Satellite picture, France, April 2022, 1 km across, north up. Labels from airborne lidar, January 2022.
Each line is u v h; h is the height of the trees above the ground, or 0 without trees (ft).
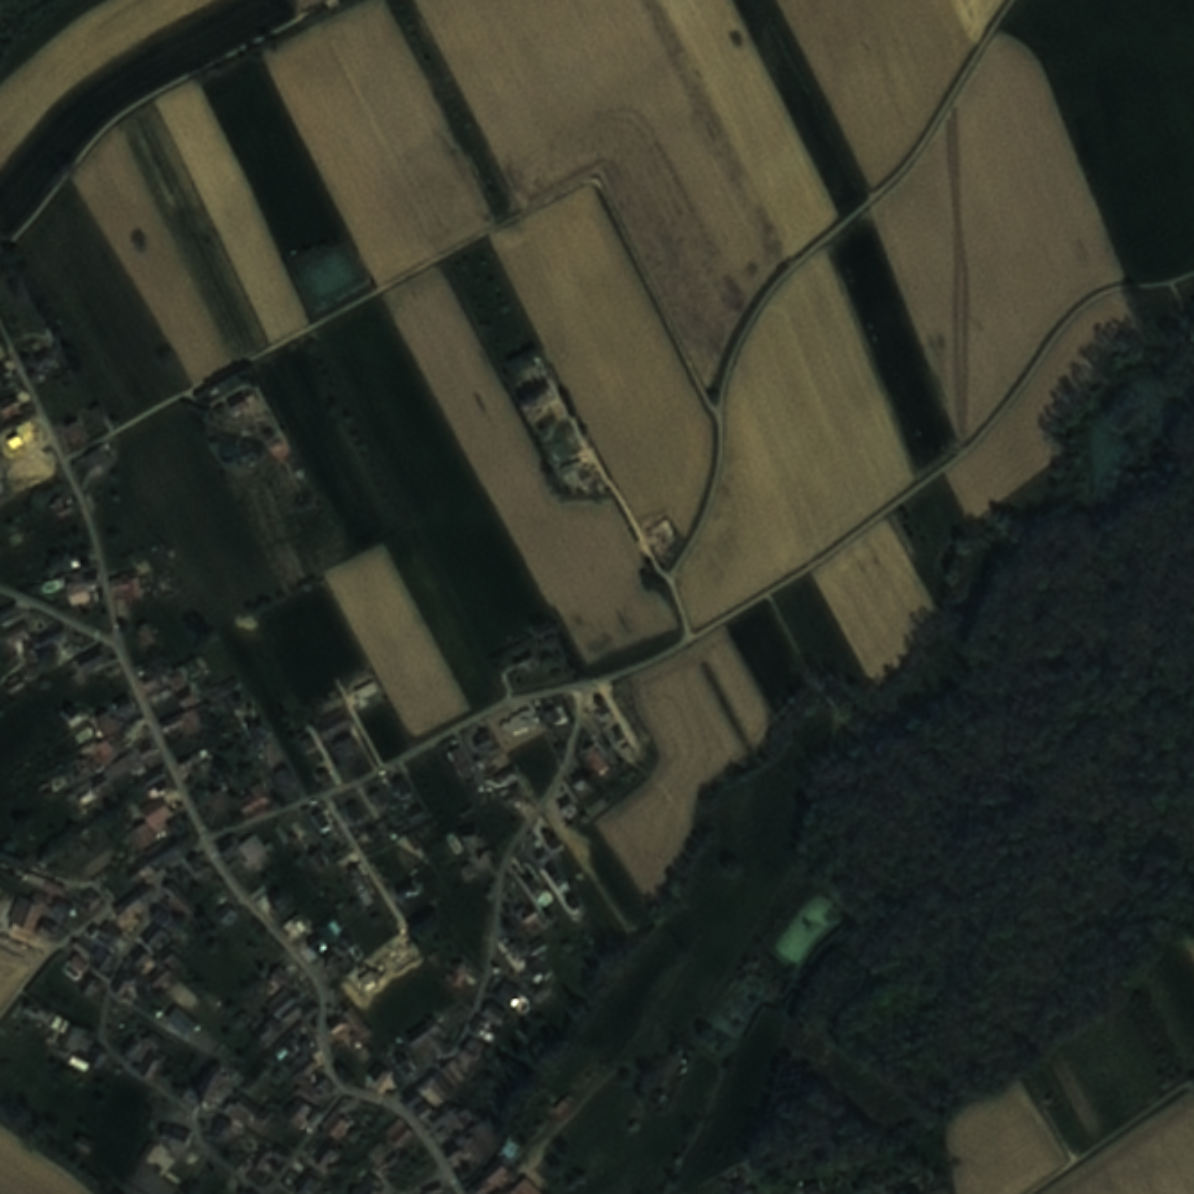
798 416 0
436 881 0
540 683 0
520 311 0
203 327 0
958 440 0
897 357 0
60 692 0
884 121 0
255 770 28
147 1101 0
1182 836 36
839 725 0
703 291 0
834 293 0
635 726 0
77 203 0
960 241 0
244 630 0
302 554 0
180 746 17
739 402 0
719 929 0
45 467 0
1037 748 104
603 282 0
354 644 0
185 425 0
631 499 0
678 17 0
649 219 0
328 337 0
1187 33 0
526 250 0
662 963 0
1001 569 75
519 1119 22
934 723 84
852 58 0
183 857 0
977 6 0
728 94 0
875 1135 100
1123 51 0
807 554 0
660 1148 0
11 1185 0
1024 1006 111
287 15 0
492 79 0
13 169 0
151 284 0
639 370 0
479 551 0
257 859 0
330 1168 25
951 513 0
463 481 0
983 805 81
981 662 99
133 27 0
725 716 0
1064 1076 0
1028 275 0
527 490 0
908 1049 102
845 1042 84
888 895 98
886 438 0
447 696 0
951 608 55
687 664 0
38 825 0
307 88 0
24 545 0
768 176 0
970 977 109
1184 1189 0
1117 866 114
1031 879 127
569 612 0
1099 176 0
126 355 0
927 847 103
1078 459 31
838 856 88
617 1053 0
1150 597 110
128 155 0
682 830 0
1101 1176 0
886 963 85
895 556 0
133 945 0
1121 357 27
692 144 0
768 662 0
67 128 0
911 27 0
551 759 0
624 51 0
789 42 0
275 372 0
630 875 0
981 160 0
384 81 0
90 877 0
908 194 0
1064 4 0
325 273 0
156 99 0
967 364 0
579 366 0
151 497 0
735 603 0
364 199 0
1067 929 88
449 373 0
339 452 0
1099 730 113
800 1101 65
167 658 33
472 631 0
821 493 0
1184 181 0
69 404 0
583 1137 0
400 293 0
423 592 0
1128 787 117
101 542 0
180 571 0
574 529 0
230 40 0
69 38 0
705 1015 0
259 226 0
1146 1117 0
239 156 0
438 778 0
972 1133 0
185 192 0
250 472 0
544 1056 55
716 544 0
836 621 0
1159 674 70
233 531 0
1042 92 0
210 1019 0
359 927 0
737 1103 0
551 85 0
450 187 0
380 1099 0
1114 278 0
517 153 0
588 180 0
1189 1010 0
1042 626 92
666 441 0
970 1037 102
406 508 0
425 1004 0
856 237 0
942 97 0
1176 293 0
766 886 0
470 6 0
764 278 0
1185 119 0
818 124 0
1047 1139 0
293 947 0
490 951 0
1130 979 73
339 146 0
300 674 0
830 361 0
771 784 0
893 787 112
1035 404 0
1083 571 100
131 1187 0
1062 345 0
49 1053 0
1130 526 96
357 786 0
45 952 0
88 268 0
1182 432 88
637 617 0
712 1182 0
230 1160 27
